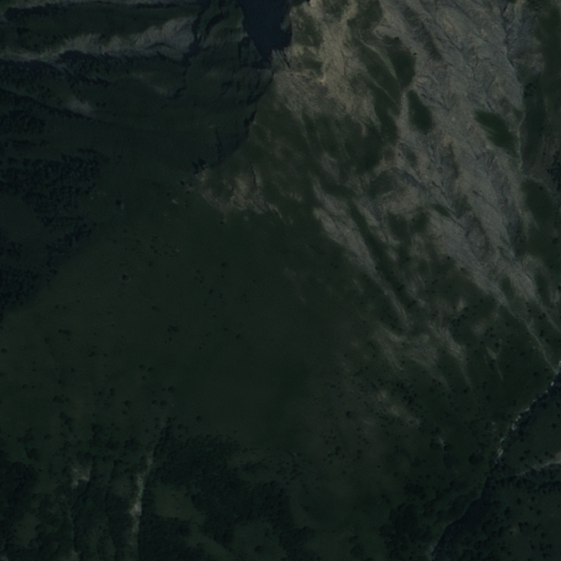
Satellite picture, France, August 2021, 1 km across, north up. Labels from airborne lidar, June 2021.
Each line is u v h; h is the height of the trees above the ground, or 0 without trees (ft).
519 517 0
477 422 21
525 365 0
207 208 0
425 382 0
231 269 0
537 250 0
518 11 0
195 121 0
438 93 0
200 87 0
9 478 55
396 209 0
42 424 0
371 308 0
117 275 0
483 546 41
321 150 0
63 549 38
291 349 0
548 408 30
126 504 22
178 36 0
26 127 26
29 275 20
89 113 0
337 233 0
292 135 0
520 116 0
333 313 0
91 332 0
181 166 0
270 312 0
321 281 0
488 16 0
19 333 0
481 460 31
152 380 0
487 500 49
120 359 0
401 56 0
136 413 0
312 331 0
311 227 0
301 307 0
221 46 0
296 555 25
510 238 0
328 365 0
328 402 0
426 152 0
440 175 0
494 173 0
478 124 0
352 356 0
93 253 0
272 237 0
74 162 37
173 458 26
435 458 0
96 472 19
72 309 0
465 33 0
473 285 0
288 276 0
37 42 0
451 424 0
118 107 0
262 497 35
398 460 0
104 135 0
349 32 0
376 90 0
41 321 0
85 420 0
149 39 0
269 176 0
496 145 0
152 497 21
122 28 0
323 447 0
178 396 0
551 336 0
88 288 0
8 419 0
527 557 0
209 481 26
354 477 0
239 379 0
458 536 60
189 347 0
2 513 22
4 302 40
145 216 0
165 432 17
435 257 0
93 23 0
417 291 0
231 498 41
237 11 0
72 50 0
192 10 0
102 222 0
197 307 0
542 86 0
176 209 0
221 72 0
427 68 0
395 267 0
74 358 0
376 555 0
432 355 0
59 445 0
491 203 0
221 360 0
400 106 0
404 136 0
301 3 0
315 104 0
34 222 0
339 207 0
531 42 0
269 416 0
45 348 0
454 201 0
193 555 29
